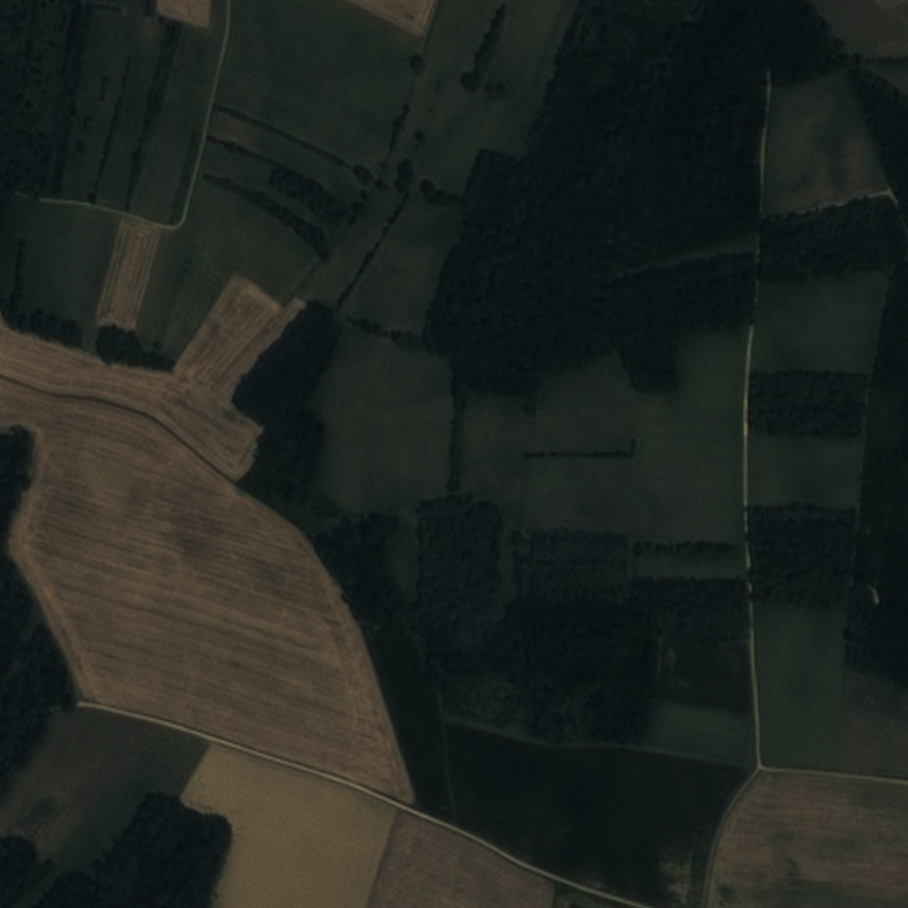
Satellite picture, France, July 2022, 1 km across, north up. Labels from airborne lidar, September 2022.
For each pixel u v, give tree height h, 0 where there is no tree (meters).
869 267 9
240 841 0
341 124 0
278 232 0
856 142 0
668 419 0
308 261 0
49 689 20
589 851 0
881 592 8
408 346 16
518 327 25
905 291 8
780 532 16
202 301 0
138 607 0
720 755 0
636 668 8
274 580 0
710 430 0
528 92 0
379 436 0
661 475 0
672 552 7
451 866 0
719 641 16
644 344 10
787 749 0
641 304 21
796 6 16
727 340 0
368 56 0
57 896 10
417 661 0
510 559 0
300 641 0
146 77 0
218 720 0
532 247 26
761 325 0
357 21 0
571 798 0
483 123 0
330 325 20
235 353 0
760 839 0
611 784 0
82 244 0
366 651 0
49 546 0
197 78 0
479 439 0
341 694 0
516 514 0
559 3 0
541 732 17
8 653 19
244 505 0
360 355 0
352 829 0
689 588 21
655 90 15
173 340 0
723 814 0
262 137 0
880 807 0
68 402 0
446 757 0
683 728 0
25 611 17
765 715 0
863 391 7
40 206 0
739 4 15
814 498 0
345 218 13
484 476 0
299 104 0
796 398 7
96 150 0
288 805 0
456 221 0
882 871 0
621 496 0
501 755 0
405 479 0
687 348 0
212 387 0
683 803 0
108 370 0
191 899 22
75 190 0
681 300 19
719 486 0
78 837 0
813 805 0
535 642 20
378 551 15
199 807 0
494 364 21
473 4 0
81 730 0
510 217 17
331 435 0
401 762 0
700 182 27
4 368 0
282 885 0
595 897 0
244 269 0
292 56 0
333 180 0
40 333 13
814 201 0
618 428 0
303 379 21
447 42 0
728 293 23
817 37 13
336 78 0
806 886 0
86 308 0
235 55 0
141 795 0
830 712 0
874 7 0
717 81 18
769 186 0
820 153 0
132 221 0
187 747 0
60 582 0
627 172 25
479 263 22
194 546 0
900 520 6
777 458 0
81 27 19
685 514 0
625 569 21
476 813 0
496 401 0
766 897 0
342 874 0
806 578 13
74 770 0
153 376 0
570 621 14
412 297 0
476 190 17
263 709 0
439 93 0
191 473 0
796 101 0
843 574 10
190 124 0
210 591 0
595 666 8
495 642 8
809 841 0
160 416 0
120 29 0
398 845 0
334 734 0
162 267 0
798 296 0
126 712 0
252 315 0
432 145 0
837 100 0
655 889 0
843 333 0
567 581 17
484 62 13
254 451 0
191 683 0
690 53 18
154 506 0
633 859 0
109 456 0
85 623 0
